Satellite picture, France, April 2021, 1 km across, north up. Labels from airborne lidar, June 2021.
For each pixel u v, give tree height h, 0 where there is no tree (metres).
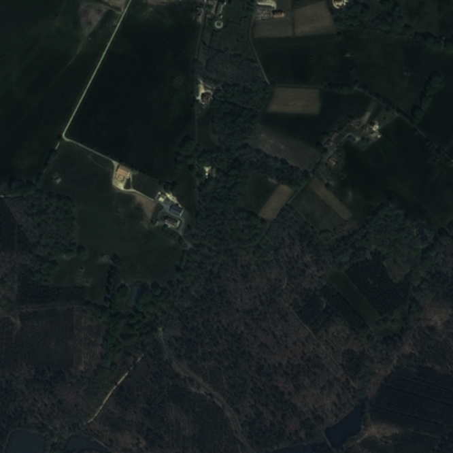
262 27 0
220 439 10
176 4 0
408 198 0
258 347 9
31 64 0
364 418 14
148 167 0
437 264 6
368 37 0
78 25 0
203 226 16
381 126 0
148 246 0
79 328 0
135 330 26
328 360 14
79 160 0
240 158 11
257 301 6
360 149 0
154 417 14
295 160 0
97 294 0
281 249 13
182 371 0
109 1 0
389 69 0
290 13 0
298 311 7
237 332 9
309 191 0
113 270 14
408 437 7
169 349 9
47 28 0
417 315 17
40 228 16
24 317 8
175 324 8
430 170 0
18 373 12
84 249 15
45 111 0
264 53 0
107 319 20
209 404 11
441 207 0
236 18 0
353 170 0
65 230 15
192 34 0
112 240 0
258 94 18
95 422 15
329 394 13
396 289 10
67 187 0
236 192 15
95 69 0
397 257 16
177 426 9
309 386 8
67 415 9
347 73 0
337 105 0
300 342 10
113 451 11
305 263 11
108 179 0
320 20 0
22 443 0
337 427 0
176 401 11
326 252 9
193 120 0
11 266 11
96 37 0
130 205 0
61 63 0
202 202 14
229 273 9
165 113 0
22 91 0
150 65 0
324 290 12
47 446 12
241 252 18
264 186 0
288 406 19
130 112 0
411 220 20
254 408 13
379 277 11
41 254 11
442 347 12
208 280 9
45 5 0
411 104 0
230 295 19
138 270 0
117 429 11
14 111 0
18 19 0
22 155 0
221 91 13
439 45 21
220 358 15
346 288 0
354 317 14
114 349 24
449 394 11
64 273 0
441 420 9
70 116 0
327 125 0
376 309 12
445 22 0
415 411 12
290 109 0
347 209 0
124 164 8
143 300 25
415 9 0
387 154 0
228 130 14
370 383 12
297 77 0
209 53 11
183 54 0
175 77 0
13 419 14
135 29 0
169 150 0
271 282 10
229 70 14
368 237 18
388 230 18
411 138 0
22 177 0
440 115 0
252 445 12
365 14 19
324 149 11
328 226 0
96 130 0
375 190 0
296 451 0
